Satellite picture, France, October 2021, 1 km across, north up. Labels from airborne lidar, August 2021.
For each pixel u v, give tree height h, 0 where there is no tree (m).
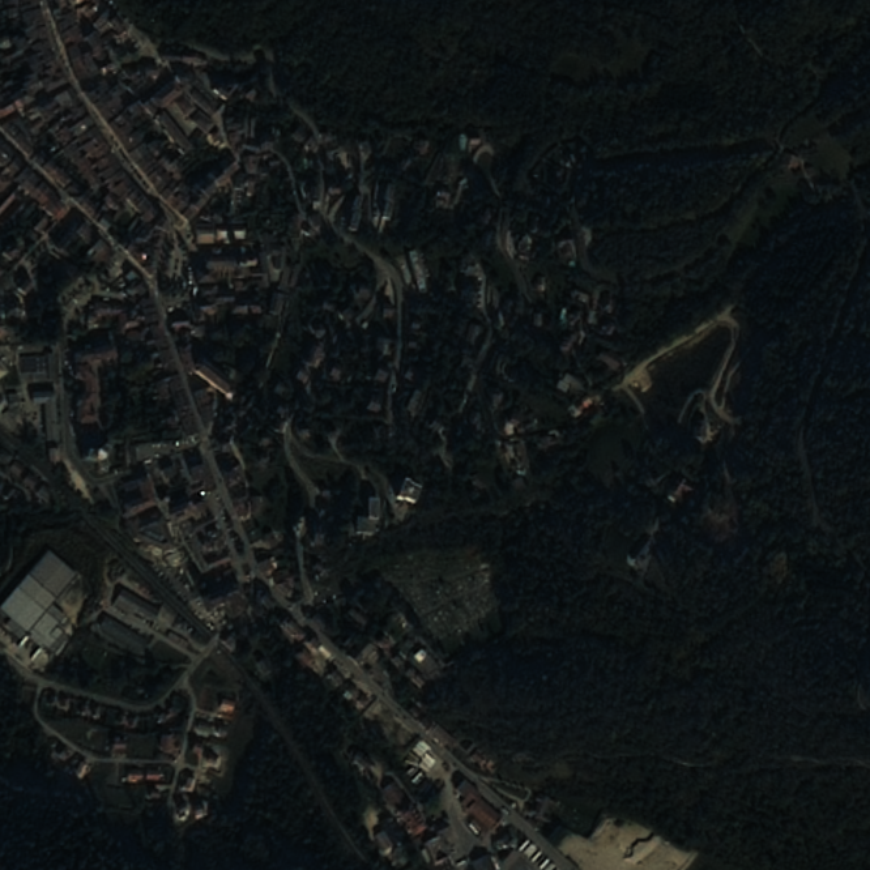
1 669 7
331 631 18
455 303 10
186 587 0
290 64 9
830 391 8
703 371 0
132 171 0
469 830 0
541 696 14
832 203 0
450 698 11
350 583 0
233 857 7
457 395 7
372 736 16
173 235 0
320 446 8
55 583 0
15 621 0
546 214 11
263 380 16
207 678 0
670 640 21
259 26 20
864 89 17
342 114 19
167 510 0
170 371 0
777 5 13
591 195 11
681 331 28
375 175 8
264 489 0
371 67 17
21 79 6
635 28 18
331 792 20
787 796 30
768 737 14
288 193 7
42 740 10
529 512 23
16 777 7
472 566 0
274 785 14
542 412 0
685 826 9
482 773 6
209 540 0
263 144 0
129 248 0
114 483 0
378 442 19
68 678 10
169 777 0
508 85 22
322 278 10
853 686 14
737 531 0
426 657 0
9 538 12
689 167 14
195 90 0
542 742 7
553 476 23
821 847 9
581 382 8
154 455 0
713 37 17
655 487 18
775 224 0
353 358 8
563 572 15
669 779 17
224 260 0
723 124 15
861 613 20
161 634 0
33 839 15
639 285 14
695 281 10
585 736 10
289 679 18
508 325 12
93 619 0
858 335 6
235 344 13
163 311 0
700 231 9
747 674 14
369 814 0
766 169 11
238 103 8
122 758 0
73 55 0
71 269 15
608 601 19
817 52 14
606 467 0
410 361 7
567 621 12
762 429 11
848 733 16
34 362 0
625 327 12
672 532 17
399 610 16
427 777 0
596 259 7
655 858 0
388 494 0
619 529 9
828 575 21
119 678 15
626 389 0
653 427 0
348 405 22
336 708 13
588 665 15
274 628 12
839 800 12
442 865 0
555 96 21
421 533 18
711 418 0
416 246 12
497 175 8
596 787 9
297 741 7
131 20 0
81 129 0
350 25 17
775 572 17
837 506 9
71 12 0
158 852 11
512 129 20
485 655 10
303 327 7
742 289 18
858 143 9
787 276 27
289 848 20
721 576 9
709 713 16
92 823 27
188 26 20
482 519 10
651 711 11
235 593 0
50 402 0
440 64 8
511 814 0
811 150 6
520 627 16
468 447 19
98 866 22
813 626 21
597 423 21
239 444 6
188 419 0
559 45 16
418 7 28
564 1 21
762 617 22
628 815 8
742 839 11
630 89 23
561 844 0
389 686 0
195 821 0
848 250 24
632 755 16
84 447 0
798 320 18
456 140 0
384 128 17
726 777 24
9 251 0
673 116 16
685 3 21
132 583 0
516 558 16
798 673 13
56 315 25
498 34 23
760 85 13
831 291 12
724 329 0
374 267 7
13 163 0
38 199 0
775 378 13
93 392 0
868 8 9
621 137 17
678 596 10
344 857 14
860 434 10
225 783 0
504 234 0
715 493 14
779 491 9
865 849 20
